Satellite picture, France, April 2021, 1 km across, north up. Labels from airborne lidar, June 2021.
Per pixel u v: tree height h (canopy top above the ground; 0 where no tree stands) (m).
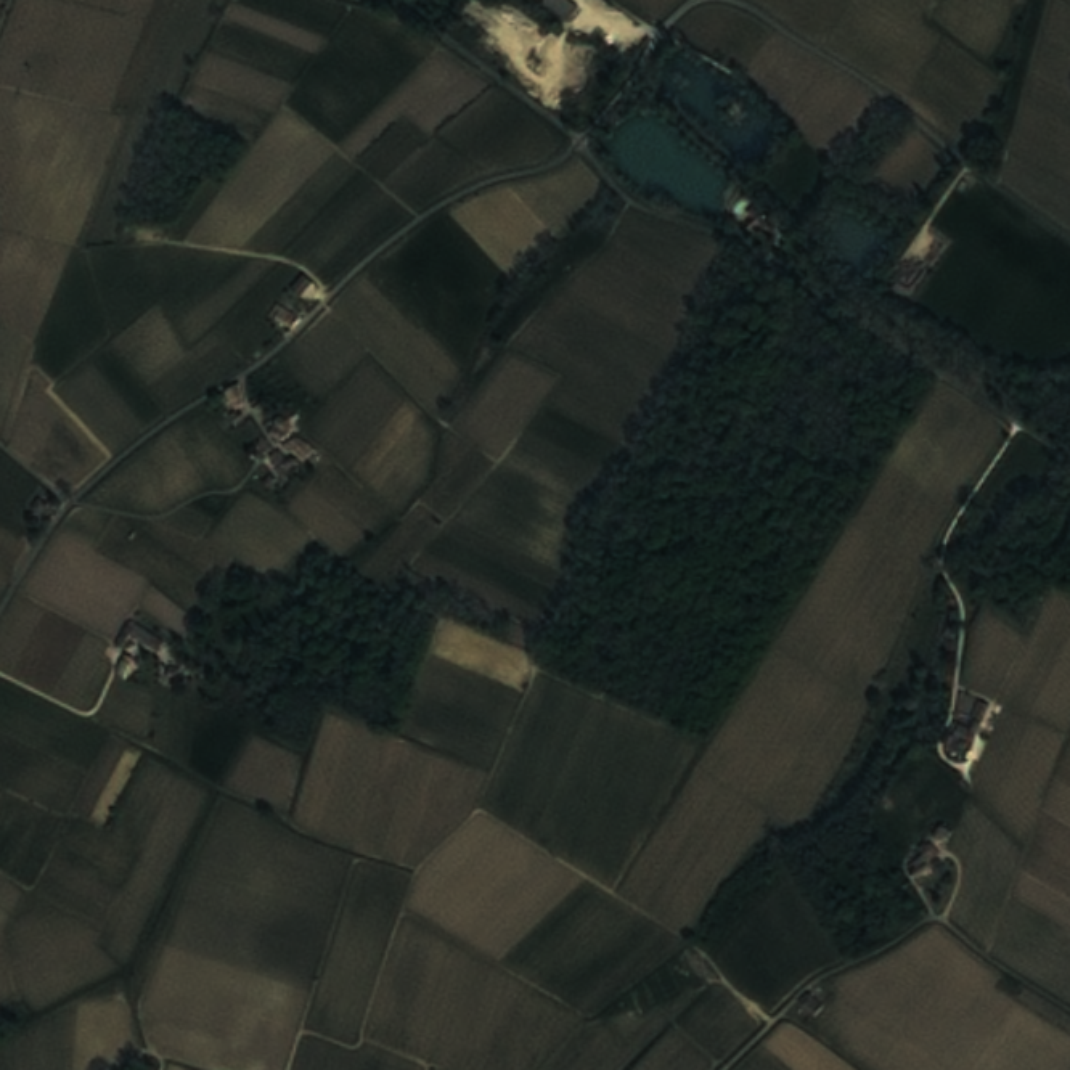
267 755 0
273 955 0
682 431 22
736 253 21
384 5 19
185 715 0
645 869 0
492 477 0
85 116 0
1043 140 0
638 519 21
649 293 0
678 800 0
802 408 16
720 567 19
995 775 0
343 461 0
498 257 0
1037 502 26
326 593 22
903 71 0
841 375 25
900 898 13
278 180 0
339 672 20
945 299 0
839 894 10
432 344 0
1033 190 0
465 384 0
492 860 0
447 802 0
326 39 0
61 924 0
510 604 0
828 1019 0
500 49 0
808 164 0
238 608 15
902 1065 0
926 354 31
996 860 0
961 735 0
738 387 22
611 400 0
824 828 20
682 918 0
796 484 23
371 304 0
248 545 0
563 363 0
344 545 0
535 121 0
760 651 16
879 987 0
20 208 0
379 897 0
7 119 0
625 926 0
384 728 15
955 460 0
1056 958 0
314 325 0
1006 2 0
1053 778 0
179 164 17
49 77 0
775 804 0
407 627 23
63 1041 0
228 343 0
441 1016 0
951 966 0
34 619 0
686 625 20
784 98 0
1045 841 0
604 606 17
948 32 0
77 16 0
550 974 0
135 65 0
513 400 0
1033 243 0
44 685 0
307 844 0
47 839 0
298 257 0
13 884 0
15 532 0
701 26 0
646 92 17
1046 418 18
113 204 0
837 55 0
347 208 0
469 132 0
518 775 0
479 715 0
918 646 0
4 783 0
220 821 0
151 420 0
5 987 0
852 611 0
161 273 0
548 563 0
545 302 0
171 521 0
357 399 0
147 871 0
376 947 0
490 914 0
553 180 0
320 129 0
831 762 0
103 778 0
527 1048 0
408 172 0
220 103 0
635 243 0
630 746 0
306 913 0
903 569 0
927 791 0
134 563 0
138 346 0
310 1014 0
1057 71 0
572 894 0
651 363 0
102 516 0
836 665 0
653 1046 0
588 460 0
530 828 0
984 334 0
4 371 0
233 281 0
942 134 0
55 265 0
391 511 0
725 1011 0
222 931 0
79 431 0
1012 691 0
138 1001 0
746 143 0
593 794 0
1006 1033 0
